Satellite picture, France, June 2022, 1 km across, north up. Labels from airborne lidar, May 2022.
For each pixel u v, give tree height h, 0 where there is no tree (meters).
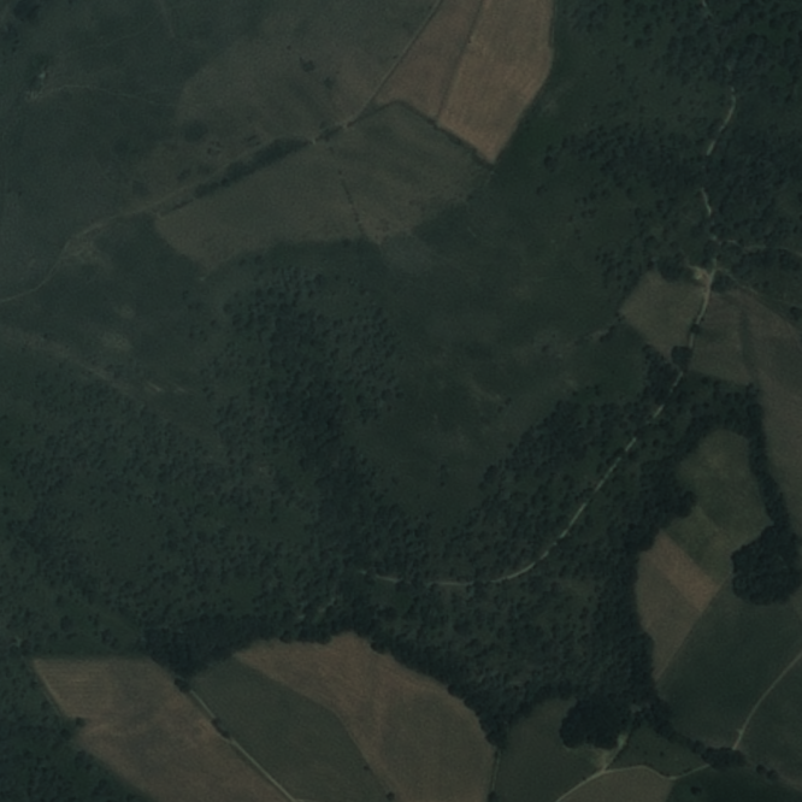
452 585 0
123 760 0
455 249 0
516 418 0
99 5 0
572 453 15
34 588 8
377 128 0
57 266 0
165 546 8
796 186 0
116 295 0
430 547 8
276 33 0
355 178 0
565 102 0
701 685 0
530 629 12
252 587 0
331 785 0
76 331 0
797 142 9
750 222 12
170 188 0
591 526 9
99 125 0
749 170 13
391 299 0
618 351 0
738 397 13
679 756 0
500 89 0
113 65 0
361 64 0
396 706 0
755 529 0
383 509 9
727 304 0
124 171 0
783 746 0
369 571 10
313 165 0
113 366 7
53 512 8
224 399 0
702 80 8
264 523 0
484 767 0
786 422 0
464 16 0
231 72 0
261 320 11
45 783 18
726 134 11
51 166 0
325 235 0
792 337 0
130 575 0
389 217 0
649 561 0
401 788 0
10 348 0
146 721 0
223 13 0
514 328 0
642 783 0
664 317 0
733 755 15
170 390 0
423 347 0
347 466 13
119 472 6
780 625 0
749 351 0
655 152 17
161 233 0
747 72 19
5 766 19
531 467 12
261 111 0
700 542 0
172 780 0
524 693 6
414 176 0
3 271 0
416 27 0
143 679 0
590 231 0
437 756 0
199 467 11
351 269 0
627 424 9
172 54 0
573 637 8
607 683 8
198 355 0
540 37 0
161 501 12
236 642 9
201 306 7
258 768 0
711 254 11
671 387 11
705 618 0
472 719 0
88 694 0
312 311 6
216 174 0
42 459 11
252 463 10
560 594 11
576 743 18
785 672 0
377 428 0
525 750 0
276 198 0
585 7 8
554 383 0
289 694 0
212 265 0
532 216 0
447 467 9
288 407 17
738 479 0
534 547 7
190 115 0
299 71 0
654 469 12
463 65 0
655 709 20
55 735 19
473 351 0
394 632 8
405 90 0
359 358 6
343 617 8
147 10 0
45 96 0
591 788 0
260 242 0
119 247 0
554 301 0
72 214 0
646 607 0
